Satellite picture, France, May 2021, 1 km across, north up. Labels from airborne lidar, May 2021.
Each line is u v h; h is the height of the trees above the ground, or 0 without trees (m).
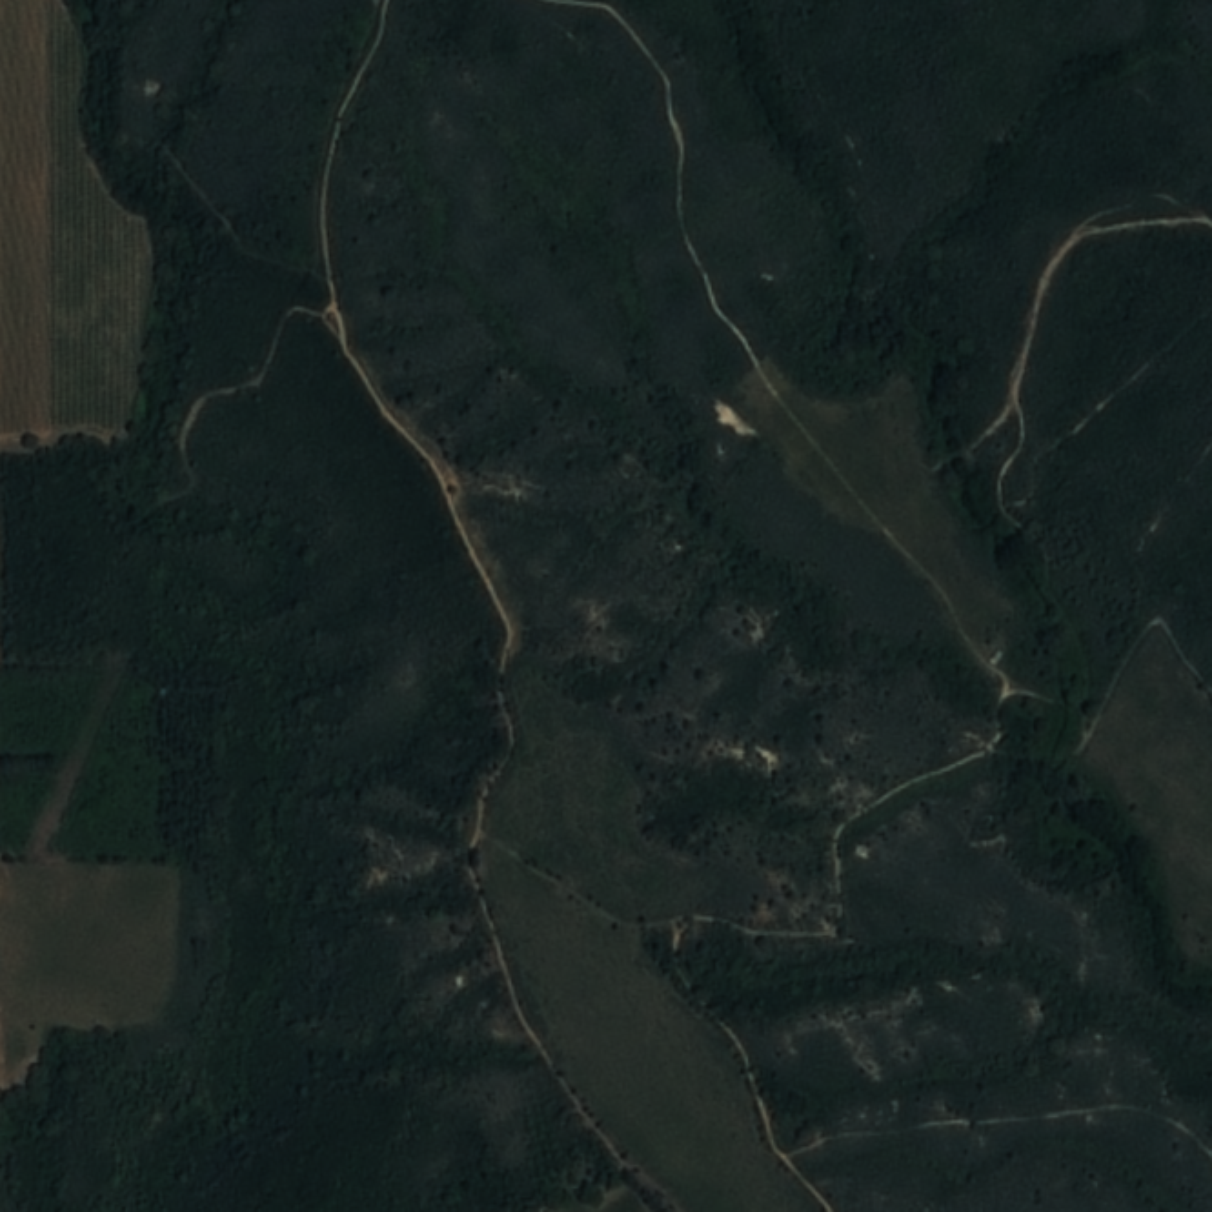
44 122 0
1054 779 21
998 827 7
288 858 6
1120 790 0
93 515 7
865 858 0
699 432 8
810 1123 10
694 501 14
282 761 6
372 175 11
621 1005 0
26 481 7
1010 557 23
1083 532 6
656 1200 18
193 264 14
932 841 0
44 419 0
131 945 0
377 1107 6
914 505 0
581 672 8
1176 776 0
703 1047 0
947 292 10
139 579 6
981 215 10
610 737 0
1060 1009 7
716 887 0
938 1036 0
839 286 6
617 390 10
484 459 8
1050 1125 0
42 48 0
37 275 0
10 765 18
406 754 11
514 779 0
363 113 6
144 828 6
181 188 7
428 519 6
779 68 6
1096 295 5
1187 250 6
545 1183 8
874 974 6
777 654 8
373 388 0
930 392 8
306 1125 6
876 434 0
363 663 6
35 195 0
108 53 15
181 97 6
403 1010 12
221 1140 15
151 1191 7
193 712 10
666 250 0
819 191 9
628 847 0
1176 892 0
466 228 0
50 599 6
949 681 9
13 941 0
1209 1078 6
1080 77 11
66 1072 18
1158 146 5
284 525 6
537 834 0
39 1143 11
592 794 0
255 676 7
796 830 11
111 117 13
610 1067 0
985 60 7
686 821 8
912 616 0
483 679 8
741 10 11
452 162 0
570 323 0
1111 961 0
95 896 0
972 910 0
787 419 0
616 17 0
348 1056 14
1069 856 8
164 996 0
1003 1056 8
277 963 7
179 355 5
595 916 0
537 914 0
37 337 0
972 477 14
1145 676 0
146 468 10
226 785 6
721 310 0
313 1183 6
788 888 11
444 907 6
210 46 11
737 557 8
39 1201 8
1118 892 12
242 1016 7
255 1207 6
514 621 0
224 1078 7
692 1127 0
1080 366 6
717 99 6
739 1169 0
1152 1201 11
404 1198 7
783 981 6
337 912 10
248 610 7
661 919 0
